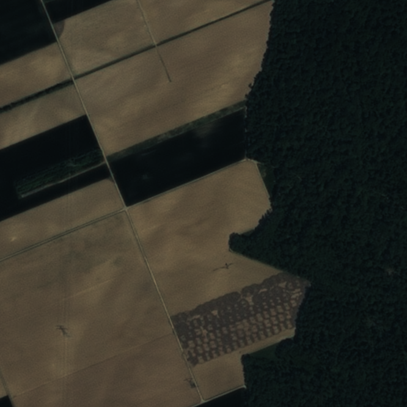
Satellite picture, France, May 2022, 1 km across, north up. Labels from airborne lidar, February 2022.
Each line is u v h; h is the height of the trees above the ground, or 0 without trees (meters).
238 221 0
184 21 0
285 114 25
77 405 0
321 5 28
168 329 0
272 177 0
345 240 6
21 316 0
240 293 0
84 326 0
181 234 0
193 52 0
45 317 0
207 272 0
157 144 0
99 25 0
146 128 0
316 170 27
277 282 0
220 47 0
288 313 0
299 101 30
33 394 0
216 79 0
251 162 0
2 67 0
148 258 0
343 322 27
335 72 27
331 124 32
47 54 0
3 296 0
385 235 30
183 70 0
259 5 0
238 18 0
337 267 22
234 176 0
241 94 0
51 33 0
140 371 0
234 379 0
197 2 0
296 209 27
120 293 0
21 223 0
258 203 0
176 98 0
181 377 0
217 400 0
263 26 0
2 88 0
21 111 0
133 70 0
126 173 0
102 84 0
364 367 31
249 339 0
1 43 0
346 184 31
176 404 0
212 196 0
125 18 0
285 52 21
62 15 0
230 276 0
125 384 0
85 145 0
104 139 0
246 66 0
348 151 30
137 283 0
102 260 0
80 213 0
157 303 0
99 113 0
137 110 0
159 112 0
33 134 0
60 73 0
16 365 0
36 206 0
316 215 27
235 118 0
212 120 0
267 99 19
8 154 0
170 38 0
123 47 0
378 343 23
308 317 21
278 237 26
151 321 0
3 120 0
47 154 0
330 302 23
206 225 0
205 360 0
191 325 0
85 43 0
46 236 0
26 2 0
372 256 27
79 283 0
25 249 0
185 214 0
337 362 33
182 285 0
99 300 0
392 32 28
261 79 24
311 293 19
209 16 0
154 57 0
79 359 0
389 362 26
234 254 0
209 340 0
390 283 27
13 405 0
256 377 17
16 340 0
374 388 30
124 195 0
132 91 0
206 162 0
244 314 0
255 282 0
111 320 0
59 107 0
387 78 24
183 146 0
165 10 0
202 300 0
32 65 0
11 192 0
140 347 0
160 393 0
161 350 0
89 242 0
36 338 0
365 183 28
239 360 0
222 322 0
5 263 0
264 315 0
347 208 29
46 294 0
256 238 21
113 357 0
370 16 20
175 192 0
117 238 0
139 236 0
